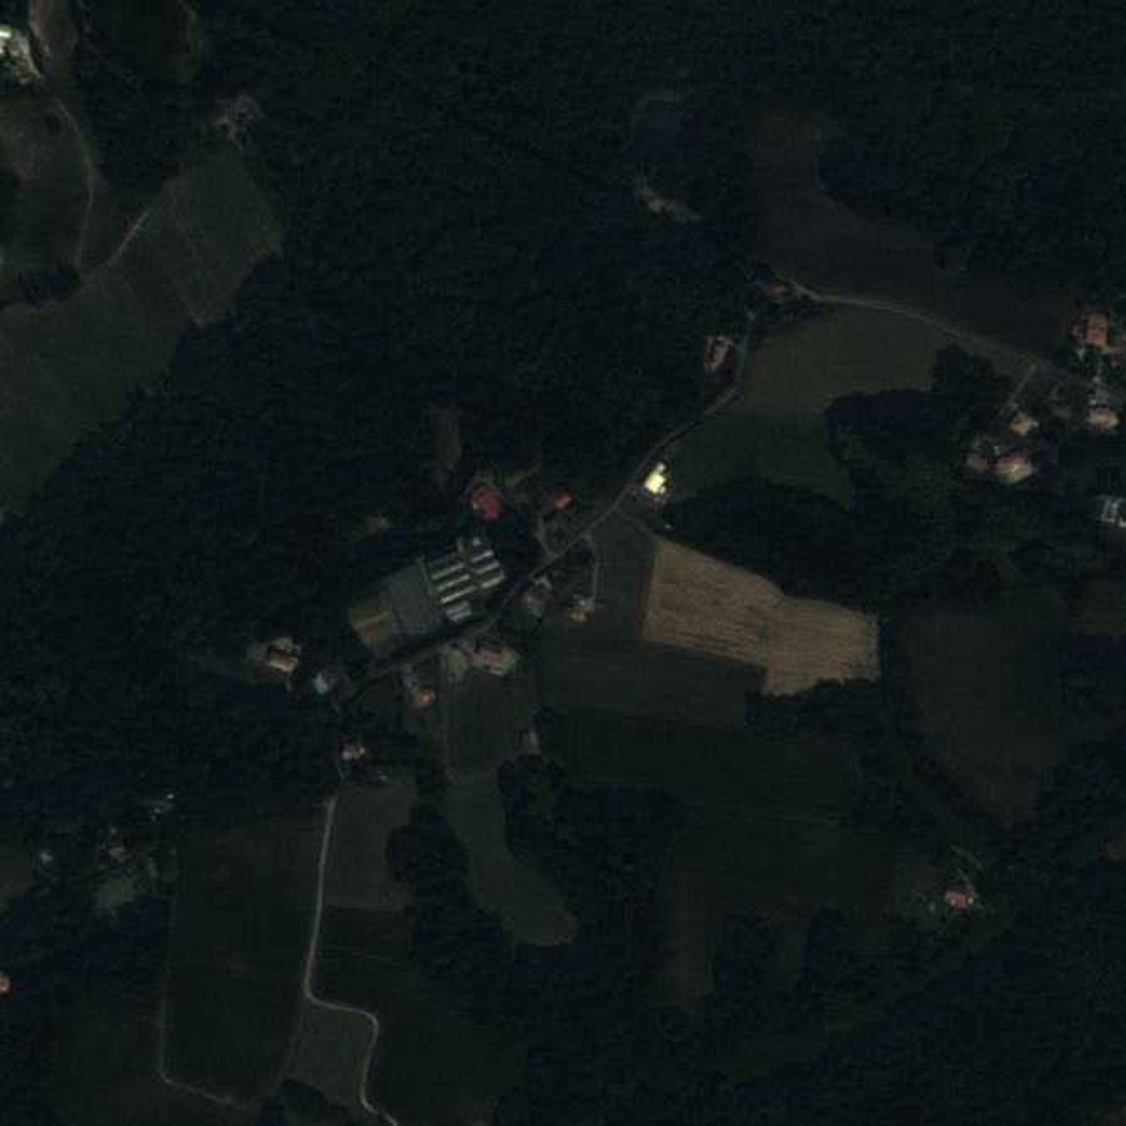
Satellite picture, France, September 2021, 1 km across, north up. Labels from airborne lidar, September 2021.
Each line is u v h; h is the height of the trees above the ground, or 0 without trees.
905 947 13
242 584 29
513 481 0
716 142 26
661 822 25
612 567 0
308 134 10
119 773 24
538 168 21
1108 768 23
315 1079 0
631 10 13
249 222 0
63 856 17
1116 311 10
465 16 22
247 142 18
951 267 19
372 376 23
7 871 0
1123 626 0
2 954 22
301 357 20
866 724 23
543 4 24
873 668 0
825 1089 19
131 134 23
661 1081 13
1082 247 32
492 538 16
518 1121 17
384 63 16
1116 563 22
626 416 16
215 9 20
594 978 29
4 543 17
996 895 25
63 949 6
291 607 25
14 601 22
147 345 0
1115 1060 24
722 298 14
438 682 0
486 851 0
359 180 17
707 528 21
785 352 0
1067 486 0
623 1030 25
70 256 0
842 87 21
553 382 15
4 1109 26
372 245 18
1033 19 8
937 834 19
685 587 0
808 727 14
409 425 20
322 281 26
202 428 23
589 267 21
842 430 25
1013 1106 25
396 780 0
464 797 0
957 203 8
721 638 0
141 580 28
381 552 18
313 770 16
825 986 30
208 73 18
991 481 0
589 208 23
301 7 15
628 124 19
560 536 9
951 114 8
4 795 10
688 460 0
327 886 0
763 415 0
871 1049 27
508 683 10
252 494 21
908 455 33
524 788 17
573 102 16
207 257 0
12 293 0
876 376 0
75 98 0
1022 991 20
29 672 17
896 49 22
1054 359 8
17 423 0
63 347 0
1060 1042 21
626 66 14
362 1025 0
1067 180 29
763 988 23
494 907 0
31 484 0
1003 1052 22
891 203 16
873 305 0
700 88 21
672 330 24
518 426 24
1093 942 21
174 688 21
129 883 0
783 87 22
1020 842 17
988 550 0
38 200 0
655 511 0
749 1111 27
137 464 19
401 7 20
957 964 0
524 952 9
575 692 0
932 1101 28
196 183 0
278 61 20
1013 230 24
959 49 12
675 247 22
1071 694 13
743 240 9
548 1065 25
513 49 16
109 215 0
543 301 16
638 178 21
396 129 14
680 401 25
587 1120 13
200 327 0
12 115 0
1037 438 8
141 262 0
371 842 0
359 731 12
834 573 26
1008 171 17
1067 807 18
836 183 25
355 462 10
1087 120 27
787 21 20
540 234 16
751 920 8
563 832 27
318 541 14
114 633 27
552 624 0
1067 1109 27
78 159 0
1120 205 30
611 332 18
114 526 17
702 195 27
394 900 0
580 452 24
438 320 22
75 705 25
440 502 18
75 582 25
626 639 0
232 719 23
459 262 16
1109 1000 22
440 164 20
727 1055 22
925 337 0
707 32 12
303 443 27
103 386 0
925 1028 30
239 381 23
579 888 22
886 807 19
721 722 0
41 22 0
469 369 22
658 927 13
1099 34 13
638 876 15
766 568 21
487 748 0
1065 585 24
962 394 20
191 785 30
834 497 0
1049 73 14
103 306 0
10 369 0
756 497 21
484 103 16
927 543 31
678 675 0
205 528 19
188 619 20
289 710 18
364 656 15
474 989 26
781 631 0
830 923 22
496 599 10
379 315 21
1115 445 13
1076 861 0
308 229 15
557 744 11
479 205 14
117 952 23
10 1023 19
